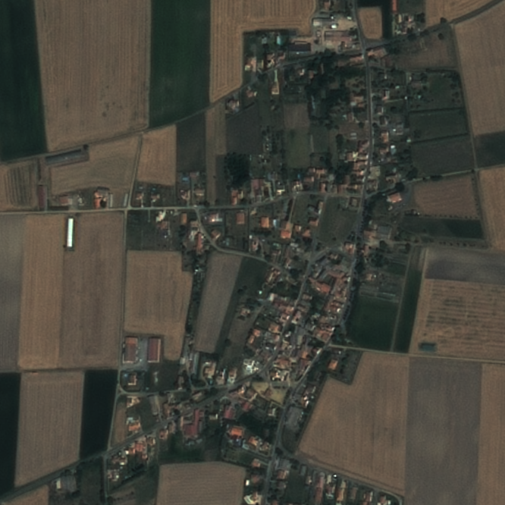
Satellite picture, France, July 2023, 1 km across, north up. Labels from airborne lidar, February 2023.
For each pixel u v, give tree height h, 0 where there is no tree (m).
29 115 0
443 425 0
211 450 0
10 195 0
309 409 7
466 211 0
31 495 0
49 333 0
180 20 0
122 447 0
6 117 0
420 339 0
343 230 0
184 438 0
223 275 0
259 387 0
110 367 0
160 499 0
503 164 0
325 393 0
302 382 0
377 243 0
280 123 0
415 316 0
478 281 0
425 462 0
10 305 0
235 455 0
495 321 0
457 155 0
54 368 0
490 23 0
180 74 0
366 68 6
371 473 0
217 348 0
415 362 0
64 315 0
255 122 0
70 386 0
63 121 0
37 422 0
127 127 0
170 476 0
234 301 0
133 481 8
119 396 0
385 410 0
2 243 0
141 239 0
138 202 0
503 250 0
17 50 0
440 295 0
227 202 0
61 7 0
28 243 0
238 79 0
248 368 0
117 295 0
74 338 0
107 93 0
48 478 0
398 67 0
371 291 0
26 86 0
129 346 0
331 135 0
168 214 0
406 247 6
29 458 0
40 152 0
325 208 0
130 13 0
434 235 0
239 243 0
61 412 0
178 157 0
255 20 0
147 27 0
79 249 0
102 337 0
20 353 0
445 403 0
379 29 0
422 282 0
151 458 0
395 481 0
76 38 0
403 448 0
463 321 0
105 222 0
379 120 0
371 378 0
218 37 0
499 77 0
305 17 0
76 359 0
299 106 0
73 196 0
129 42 0
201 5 0
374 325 0
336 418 0
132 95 0
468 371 0
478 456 0
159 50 0
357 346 0
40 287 0
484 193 0
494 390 0
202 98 0
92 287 0
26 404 0
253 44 0
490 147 0
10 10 0
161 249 0
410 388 0
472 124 0
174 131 0
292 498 0
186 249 18
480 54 0
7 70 0
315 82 14
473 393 0
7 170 0
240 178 11
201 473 0
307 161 0
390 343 0
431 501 0
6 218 0
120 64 0
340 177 11
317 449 0
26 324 0
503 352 0
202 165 0
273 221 0
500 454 0
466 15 0
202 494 0
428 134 0
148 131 0
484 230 0
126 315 0
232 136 0
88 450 0
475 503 0
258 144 0
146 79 0
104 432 0
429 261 0
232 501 0
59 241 0
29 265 0
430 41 0
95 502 0
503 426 0
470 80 0
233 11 0
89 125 0
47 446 0
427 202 0
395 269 0
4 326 0
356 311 0
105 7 0
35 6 0
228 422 11
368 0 0
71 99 0
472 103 0
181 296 0
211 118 0
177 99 0
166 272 0
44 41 0
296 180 0
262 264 0
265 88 0
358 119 0
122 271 0
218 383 0
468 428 0
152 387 0
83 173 0
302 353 0
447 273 0
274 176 0
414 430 0
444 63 0
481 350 0
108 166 0
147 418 0
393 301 0
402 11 0
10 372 0
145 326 0
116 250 0
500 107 0
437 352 0
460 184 0
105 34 0
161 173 0
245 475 0
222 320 0
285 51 12
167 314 0
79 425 0
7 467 0
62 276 0
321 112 0
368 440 0
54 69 0
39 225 0
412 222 0
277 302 0
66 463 0
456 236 0
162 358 0
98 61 0
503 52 0
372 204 9
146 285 0
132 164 0
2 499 0
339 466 0
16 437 0
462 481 0
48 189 0
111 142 0
